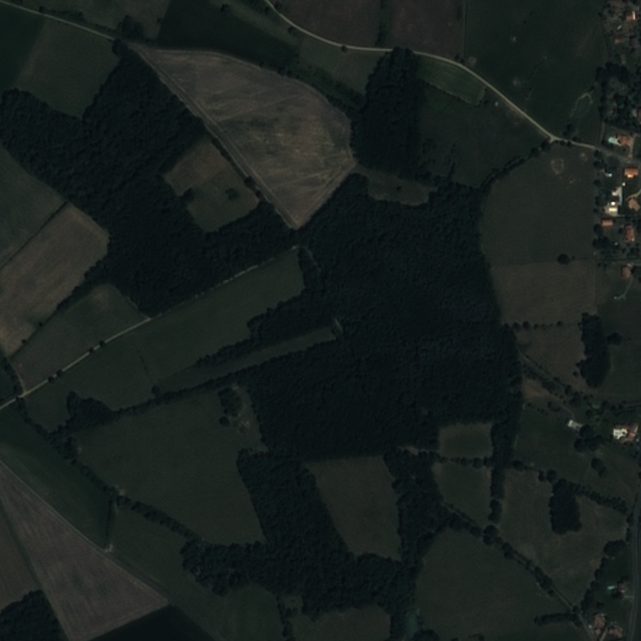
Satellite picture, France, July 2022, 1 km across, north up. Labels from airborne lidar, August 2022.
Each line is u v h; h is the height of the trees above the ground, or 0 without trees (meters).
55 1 0
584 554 0
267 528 15
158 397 9
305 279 12
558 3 0
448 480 0
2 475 0
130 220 20
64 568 0
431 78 0
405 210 16
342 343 19
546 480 15
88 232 0
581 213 0
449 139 0
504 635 0
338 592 20
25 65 0
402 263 23
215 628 0
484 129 0
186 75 0
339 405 21
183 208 19
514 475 0
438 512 14
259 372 15
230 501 0
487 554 0
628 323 0
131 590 0
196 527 0
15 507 0
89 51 0
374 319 19
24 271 0
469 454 0
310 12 0
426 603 0
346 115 9
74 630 0
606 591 0
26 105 24
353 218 20
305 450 21
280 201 0
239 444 0
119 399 0
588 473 0
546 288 0
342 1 0
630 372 0
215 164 0
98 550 0
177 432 0
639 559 0
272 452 12
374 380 18
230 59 0
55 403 0
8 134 20
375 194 0
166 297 19
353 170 0
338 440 19
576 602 0
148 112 17
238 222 10
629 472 0
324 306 21
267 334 19
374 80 15
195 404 0
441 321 17
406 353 17
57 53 0
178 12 0
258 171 0
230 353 16
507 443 16
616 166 0
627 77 25
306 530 14
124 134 20
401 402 21
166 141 8
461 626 0
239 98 0
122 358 0
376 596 22
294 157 0
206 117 0
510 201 0
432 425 19
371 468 0
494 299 15
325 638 0
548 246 0
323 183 0
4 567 0
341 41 0
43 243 0
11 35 0
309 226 14
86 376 0
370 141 20
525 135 0
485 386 19
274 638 0
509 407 21
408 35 0
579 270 0
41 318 0
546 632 0
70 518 0
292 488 18
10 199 0
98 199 15
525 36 0
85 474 6
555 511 19
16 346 0
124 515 0
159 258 22
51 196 0
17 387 12
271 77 0
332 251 17
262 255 18
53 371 0
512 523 0
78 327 0
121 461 0
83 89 0
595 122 0
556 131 0
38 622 24
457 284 18
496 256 0
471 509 0
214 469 0
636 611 0
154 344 0
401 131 21
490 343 19
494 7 0
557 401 0
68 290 0
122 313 0
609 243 10
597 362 17
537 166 0
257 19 0
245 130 0
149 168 22
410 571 11
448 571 0
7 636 24
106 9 0
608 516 0
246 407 0
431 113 0
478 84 0
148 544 0
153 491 0
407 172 15
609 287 0
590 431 15
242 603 0
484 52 0
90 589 0
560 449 0
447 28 0
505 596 0
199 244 20
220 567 20
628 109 14
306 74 0
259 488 18
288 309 17
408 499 19
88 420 19
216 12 0
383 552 0
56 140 20
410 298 19
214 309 0
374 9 0
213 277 18
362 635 0
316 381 18
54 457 0
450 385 24
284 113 0
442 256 21
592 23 0
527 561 6
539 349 0
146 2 0
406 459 15
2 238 0
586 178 0
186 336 0
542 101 0
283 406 16
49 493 0
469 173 0
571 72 0
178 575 0
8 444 0
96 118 17
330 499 0
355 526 0
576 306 0
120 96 17
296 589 21
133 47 0
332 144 0
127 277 18
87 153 17
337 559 20
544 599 0
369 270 19
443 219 23
